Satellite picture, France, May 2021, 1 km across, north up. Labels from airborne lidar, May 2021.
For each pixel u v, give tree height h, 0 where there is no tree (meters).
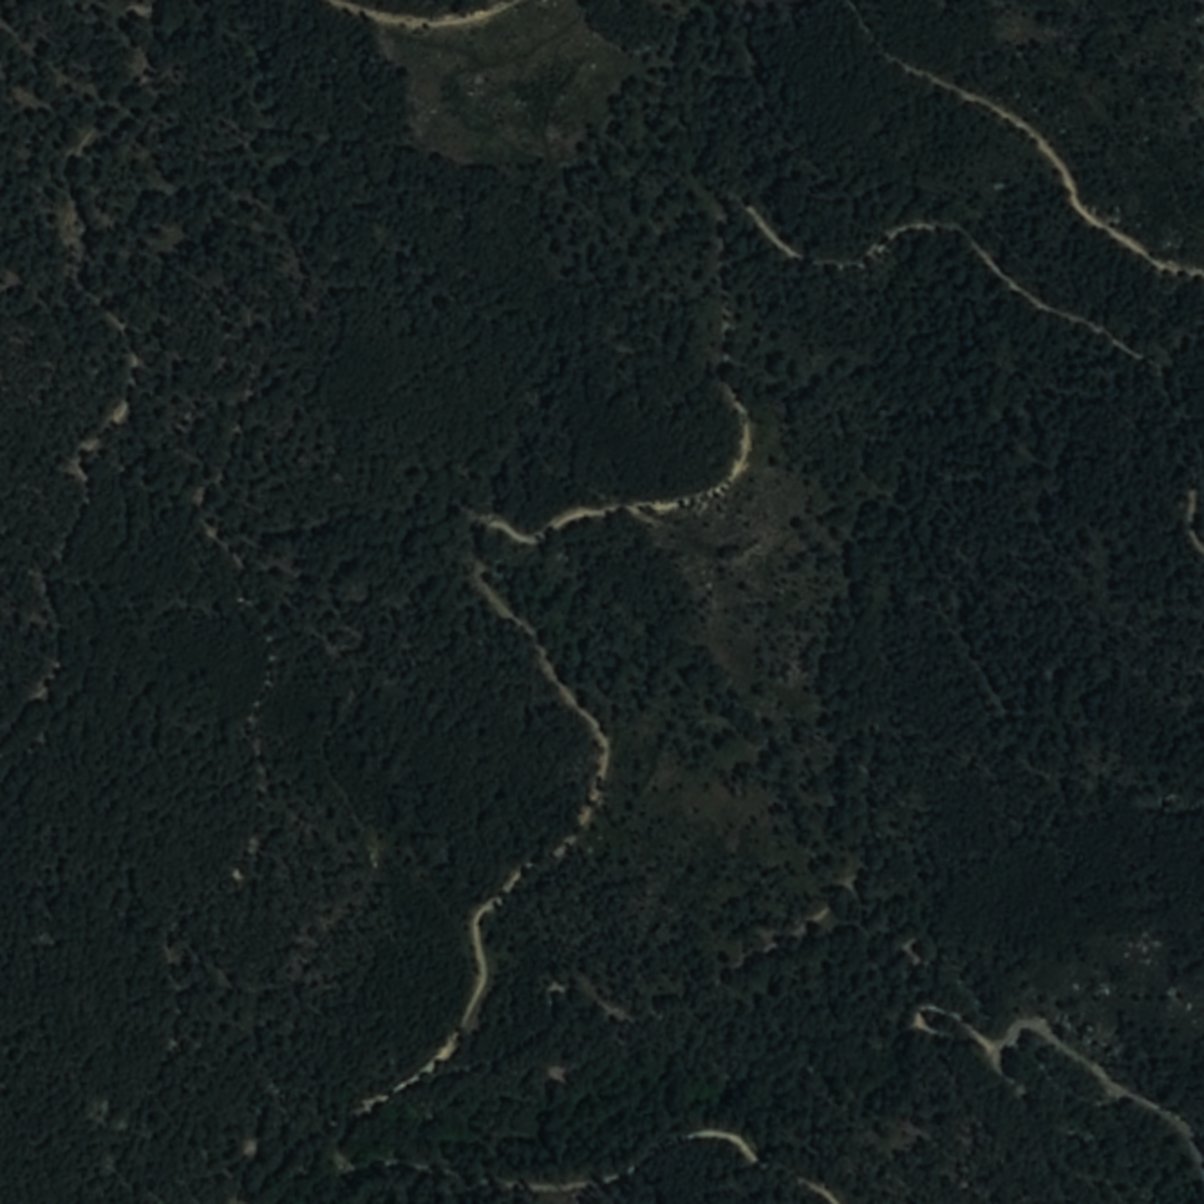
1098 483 28
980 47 20
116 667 19
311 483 19
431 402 22
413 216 27
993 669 24
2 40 36
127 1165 22
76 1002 26
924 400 29
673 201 30
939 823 26
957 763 25
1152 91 18
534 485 16
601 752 29
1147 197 6
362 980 21
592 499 14
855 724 29
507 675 22
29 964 23
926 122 20
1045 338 13
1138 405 27
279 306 22
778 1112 32
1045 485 27
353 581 21
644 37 22
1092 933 22
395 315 30
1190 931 24
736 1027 27
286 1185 34
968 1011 21
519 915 26
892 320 11
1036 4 23
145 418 27
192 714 25
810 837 34
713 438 20
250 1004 28
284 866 20
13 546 25
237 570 27
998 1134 33
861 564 33
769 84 28
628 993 22
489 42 0
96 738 27
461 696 14
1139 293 18
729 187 37
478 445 25
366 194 27
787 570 12
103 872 18
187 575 28
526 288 26
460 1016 17
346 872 26
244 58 22
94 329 24
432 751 18
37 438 24
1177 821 20
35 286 25
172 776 20
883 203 21
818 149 21
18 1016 26
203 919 21
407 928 10
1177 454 29
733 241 29
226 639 10
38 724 24
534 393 23
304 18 24
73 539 19
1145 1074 19
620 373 13
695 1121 23
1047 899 25
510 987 12
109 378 19
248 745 15
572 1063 28
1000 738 26
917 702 29
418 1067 9
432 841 24
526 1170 36
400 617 29
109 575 24
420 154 25
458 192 25
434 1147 34
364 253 32
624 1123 30
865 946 29
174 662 10
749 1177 30
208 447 23
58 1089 17
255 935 17
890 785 30
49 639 20
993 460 20
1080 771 21
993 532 25
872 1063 35
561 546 19
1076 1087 33
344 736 8
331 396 20
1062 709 28
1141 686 21
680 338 26
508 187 23
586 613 39
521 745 17
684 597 17
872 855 30
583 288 23
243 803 26
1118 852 22
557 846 19
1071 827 30
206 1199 32
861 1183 27
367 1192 29
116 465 23
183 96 30
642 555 19
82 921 29
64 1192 21
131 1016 22
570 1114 31
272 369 21
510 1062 21
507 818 22
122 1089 23
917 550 26
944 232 16
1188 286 13
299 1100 29
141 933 29
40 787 21
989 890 21
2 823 21
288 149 28
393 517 35
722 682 35
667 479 21
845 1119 37
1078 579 21
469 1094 31
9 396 24
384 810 11
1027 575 25
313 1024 22
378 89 27
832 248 26
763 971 32
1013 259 15
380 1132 32
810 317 22
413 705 13
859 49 23
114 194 15
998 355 28
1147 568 16
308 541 33
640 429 17
